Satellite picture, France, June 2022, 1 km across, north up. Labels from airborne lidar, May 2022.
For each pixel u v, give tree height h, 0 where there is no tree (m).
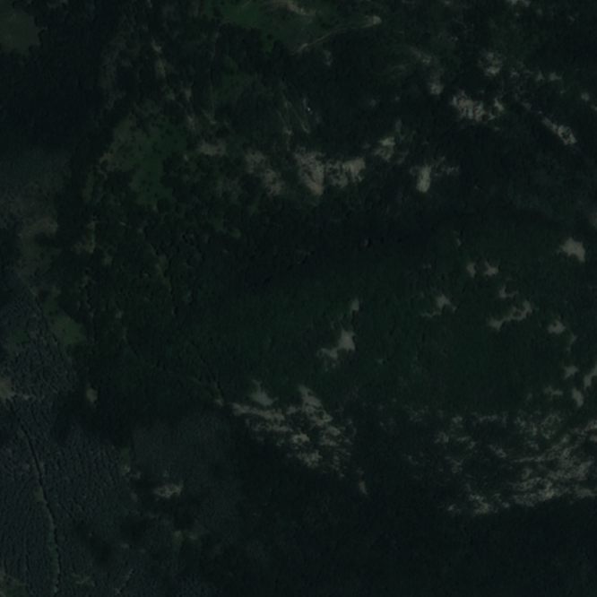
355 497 16
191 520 13
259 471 19
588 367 14
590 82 16
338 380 12
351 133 11
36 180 7
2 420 18
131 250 19
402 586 24
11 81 14
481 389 12
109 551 22
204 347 20
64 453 19
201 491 14
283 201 14
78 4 16
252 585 19
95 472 13
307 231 12
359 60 12
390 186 18
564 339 13
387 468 20
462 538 18
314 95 15
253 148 6
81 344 9
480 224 15
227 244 22
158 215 16
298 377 12
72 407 17
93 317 8
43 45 12
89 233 8
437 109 15
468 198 22
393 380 11
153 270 20
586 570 30
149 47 8
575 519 23
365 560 24
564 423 11
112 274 20
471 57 11
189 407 17
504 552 14
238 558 9
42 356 14
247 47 21
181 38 10
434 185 13
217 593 22
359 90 13
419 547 17
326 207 18
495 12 11
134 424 13
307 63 17
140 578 20
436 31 7
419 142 15
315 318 14
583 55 19
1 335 14
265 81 11
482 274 12
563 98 10
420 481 13
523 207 28
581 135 12
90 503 15
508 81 9
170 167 14
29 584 11
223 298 30
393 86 12
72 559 17
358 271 25
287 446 10
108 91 5
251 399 11
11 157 9
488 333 13
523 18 11
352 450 11
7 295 16
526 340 12
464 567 18
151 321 21
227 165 12
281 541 18
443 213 20
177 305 21
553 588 14
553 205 15
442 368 13
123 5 10
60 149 11
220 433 16
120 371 21
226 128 7
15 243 7
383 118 12
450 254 18
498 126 8
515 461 8
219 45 11
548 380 14
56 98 14
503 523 23
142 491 14
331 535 26
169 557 26
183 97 13
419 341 13
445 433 7
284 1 0
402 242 30
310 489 23
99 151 11
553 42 11
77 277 15
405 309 12
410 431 13
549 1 11
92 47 15
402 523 20
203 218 11
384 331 15
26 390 10
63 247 8
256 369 15
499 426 9
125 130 0
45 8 13
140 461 14
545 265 17
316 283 27
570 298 14
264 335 18
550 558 17
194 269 16
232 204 11
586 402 11
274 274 28
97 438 16
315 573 26
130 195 12
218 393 18
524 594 16
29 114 13
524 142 7
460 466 8
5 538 17
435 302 9
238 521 15
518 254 14
